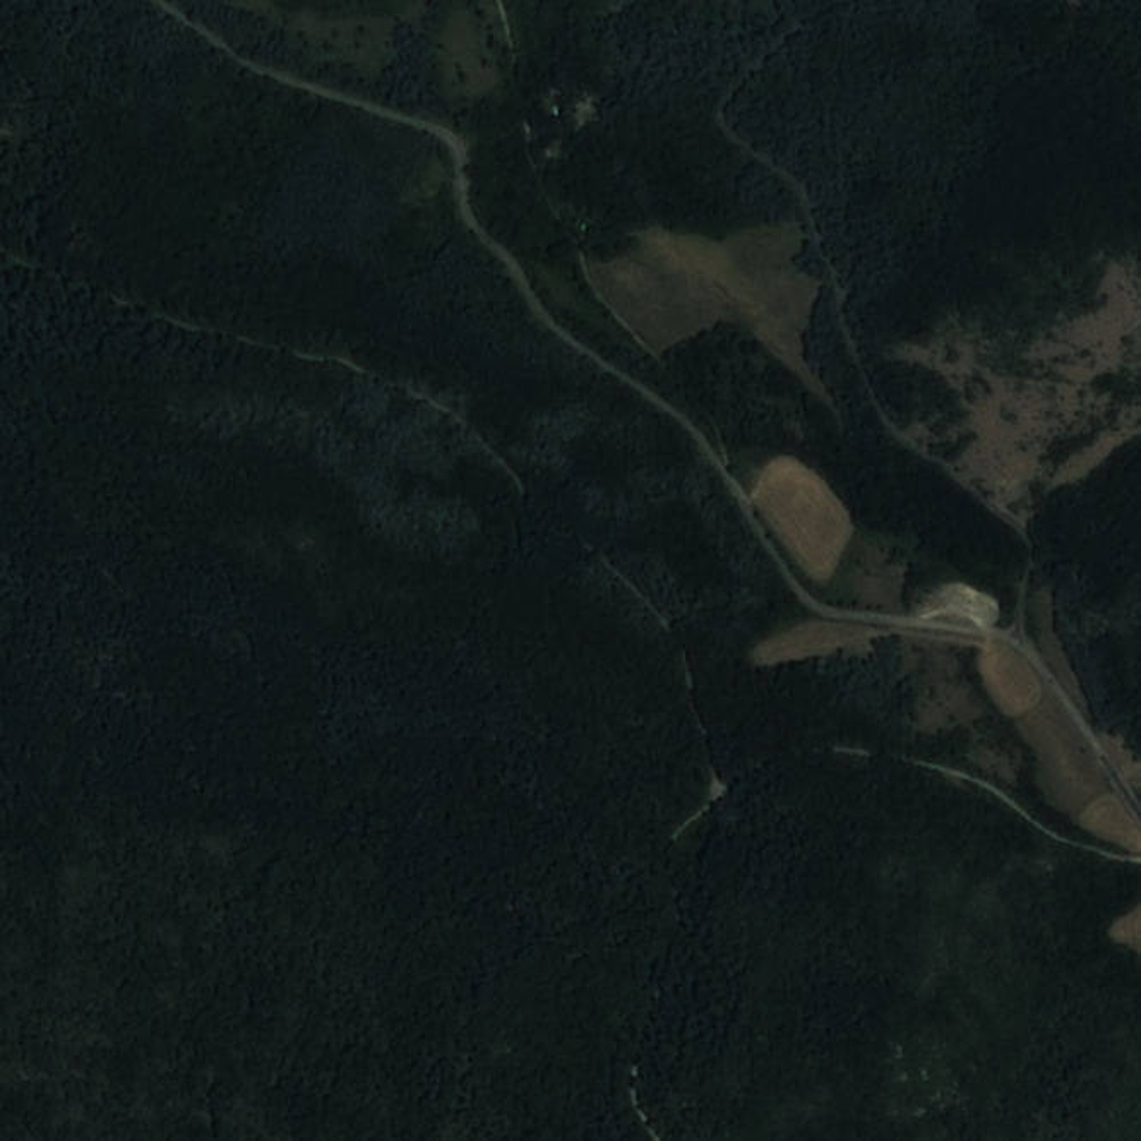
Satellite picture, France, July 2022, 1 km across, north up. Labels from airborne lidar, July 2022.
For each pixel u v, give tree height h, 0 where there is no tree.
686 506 21
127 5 13
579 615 18
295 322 25
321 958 13
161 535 10
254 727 7
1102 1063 7
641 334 0
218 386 11
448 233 6
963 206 18
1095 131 17
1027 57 11
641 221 7
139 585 15
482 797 17
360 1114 15
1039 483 8
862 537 0
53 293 23
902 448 6
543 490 18
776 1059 9
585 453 13
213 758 16
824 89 14
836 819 11
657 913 20
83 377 17
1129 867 10
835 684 14
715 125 7
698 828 8
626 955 19
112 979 13
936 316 8
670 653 14
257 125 16
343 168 14
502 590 20
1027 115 21
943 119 8
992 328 7
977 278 9
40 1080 9
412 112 11
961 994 7
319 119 15
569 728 18
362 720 19
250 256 17
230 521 14
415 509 23
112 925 17
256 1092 11
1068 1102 13
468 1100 16
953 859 7
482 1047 10
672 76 17
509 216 14
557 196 6
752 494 0
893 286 19
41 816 18
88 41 23
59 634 16
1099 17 18
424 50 13
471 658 16
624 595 19
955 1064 6
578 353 16
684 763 21
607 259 9
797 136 19
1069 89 26
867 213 15
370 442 10
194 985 12
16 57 25
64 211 28
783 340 0
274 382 9
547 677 10
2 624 13
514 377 21
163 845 9
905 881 11
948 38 10
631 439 13
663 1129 8
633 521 20
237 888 17
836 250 13
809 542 0
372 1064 20
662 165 10
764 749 25
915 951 5
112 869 16
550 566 21
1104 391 8
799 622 0
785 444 8
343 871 7
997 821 7
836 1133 6
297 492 15
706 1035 16
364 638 12
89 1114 10
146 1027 22
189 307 23
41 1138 16
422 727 20
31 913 18
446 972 20
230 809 28
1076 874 6
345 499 18
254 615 17
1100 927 20
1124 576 8
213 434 9
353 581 6
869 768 9
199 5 15
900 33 21
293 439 10
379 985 16
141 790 12
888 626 0
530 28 9
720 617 19
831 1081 8
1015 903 7
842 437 7
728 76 16
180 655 14
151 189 17
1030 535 11
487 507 20
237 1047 10
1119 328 0
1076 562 10
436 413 15
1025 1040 6
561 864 20
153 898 14
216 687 16
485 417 11
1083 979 8
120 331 27
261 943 12
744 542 22
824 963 11
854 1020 16
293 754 16
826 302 17
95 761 14
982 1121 8
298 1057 20
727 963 11
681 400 8
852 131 8
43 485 18
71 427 24
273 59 19
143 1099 6
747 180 15
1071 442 9
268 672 19
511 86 11
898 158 6
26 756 16
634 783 22
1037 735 0
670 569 12
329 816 20
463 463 13
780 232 0
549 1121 14
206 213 13
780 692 19
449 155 7
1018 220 13
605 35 18
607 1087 16
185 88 21
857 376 8
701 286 0
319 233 21
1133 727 8
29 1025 10
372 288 18
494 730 21
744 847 11
